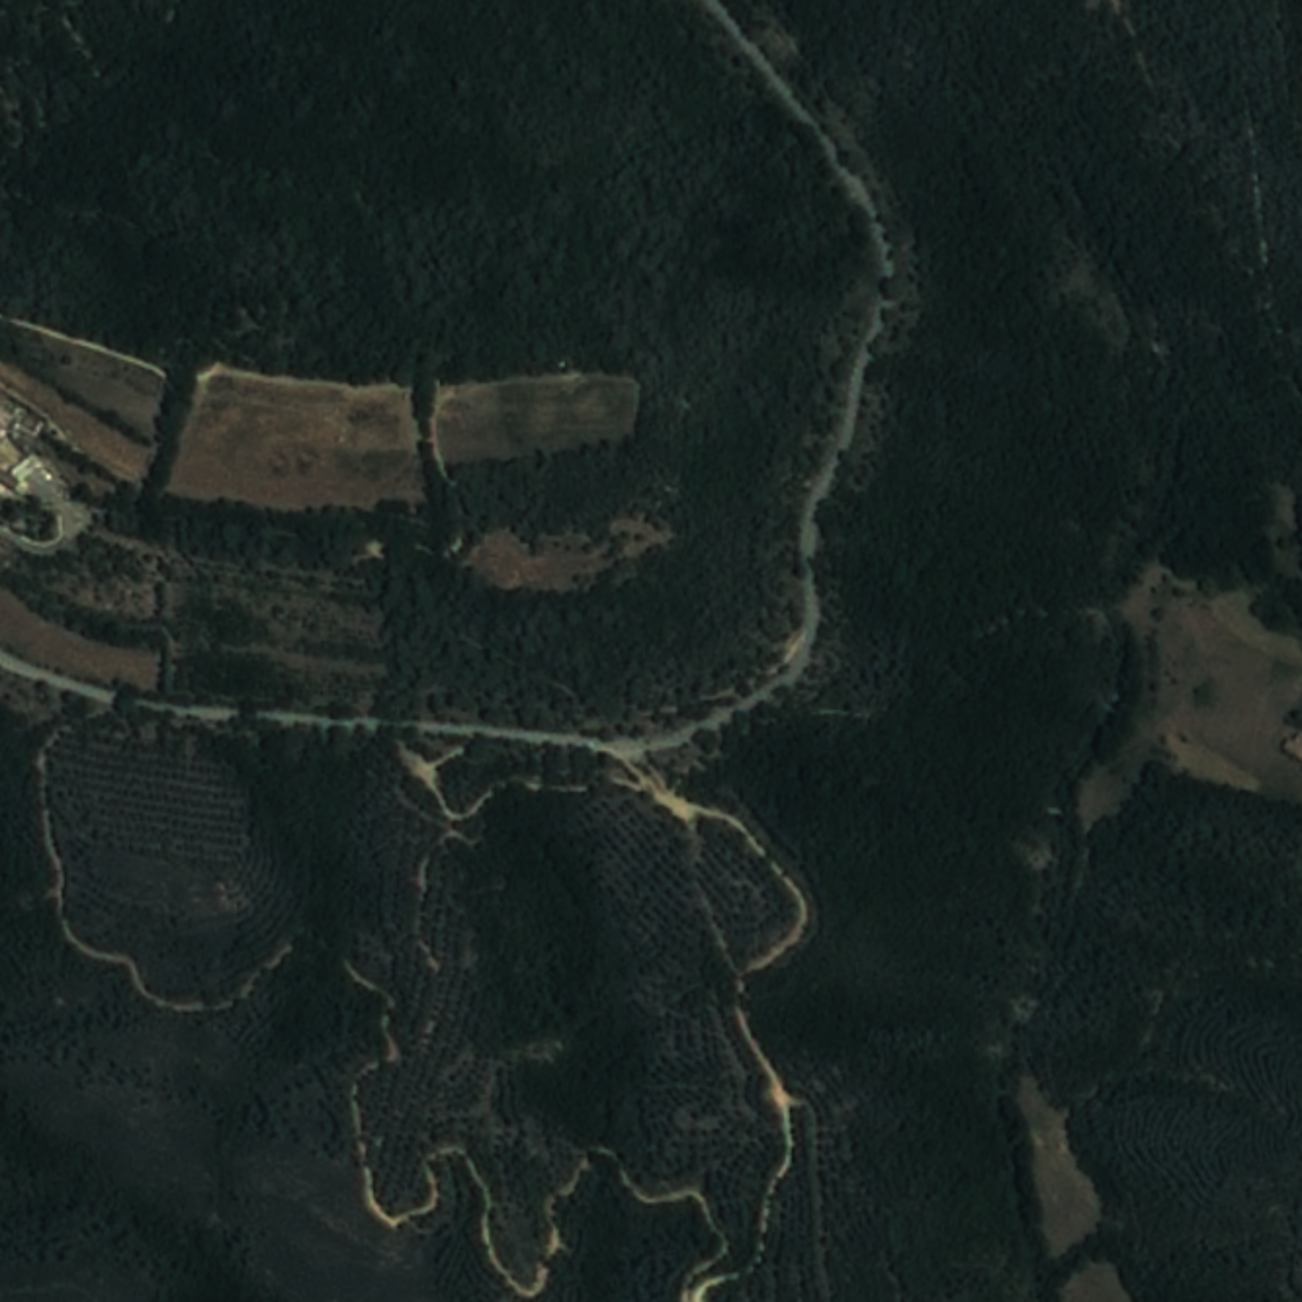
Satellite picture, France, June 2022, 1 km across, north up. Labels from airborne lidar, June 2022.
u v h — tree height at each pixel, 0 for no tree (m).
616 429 0
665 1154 11
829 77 16
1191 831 18
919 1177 13
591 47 8
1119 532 12
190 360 14
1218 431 13
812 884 12
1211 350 11
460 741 8
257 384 0
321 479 0
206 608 6
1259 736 0
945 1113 14
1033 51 10
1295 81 8
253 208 15
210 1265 9
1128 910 16
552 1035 9
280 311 14
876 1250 11
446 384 6
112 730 8
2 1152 11
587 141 8
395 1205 9
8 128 11
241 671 7
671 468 8
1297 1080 10
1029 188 9
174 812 7
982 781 16
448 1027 10
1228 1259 15
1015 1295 6
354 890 10
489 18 15
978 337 11
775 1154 11
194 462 0
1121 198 14
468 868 11
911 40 11
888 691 18
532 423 0
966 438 11
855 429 0
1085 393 11
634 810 9
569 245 10
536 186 12
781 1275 13
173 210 19
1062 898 7
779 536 13
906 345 18
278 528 15
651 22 10
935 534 13
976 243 16
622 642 6
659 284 21
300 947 13
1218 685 0
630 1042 11
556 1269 12
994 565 17
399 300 17
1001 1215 9
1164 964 11
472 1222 9
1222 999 14
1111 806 0
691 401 13
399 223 14
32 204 8
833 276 7
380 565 13
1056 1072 6
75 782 10
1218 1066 7
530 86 8
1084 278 0
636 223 19
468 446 0
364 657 7
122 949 12
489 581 11
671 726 9
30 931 14
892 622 14
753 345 16
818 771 21
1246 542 17
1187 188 8
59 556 8
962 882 8
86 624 10
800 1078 10
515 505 15
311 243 11
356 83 14
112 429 8
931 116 13
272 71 14
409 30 15
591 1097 13
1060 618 14
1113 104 15
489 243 19
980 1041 7
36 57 16
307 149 15
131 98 13
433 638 15
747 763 11
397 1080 12
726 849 9
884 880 10
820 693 7
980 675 18
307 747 8
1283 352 9
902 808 13
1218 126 9
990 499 14
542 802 10
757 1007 11
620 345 18
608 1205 8
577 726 8
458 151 12
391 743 10
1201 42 11
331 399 0
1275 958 7
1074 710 12
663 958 13
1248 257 14
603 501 6
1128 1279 13
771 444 8
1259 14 15
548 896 9
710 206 10
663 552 12
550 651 13
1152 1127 14
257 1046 10
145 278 11
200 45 15
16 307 20
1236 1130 16
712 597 12
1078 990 8
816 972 6
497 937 8
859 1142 13
